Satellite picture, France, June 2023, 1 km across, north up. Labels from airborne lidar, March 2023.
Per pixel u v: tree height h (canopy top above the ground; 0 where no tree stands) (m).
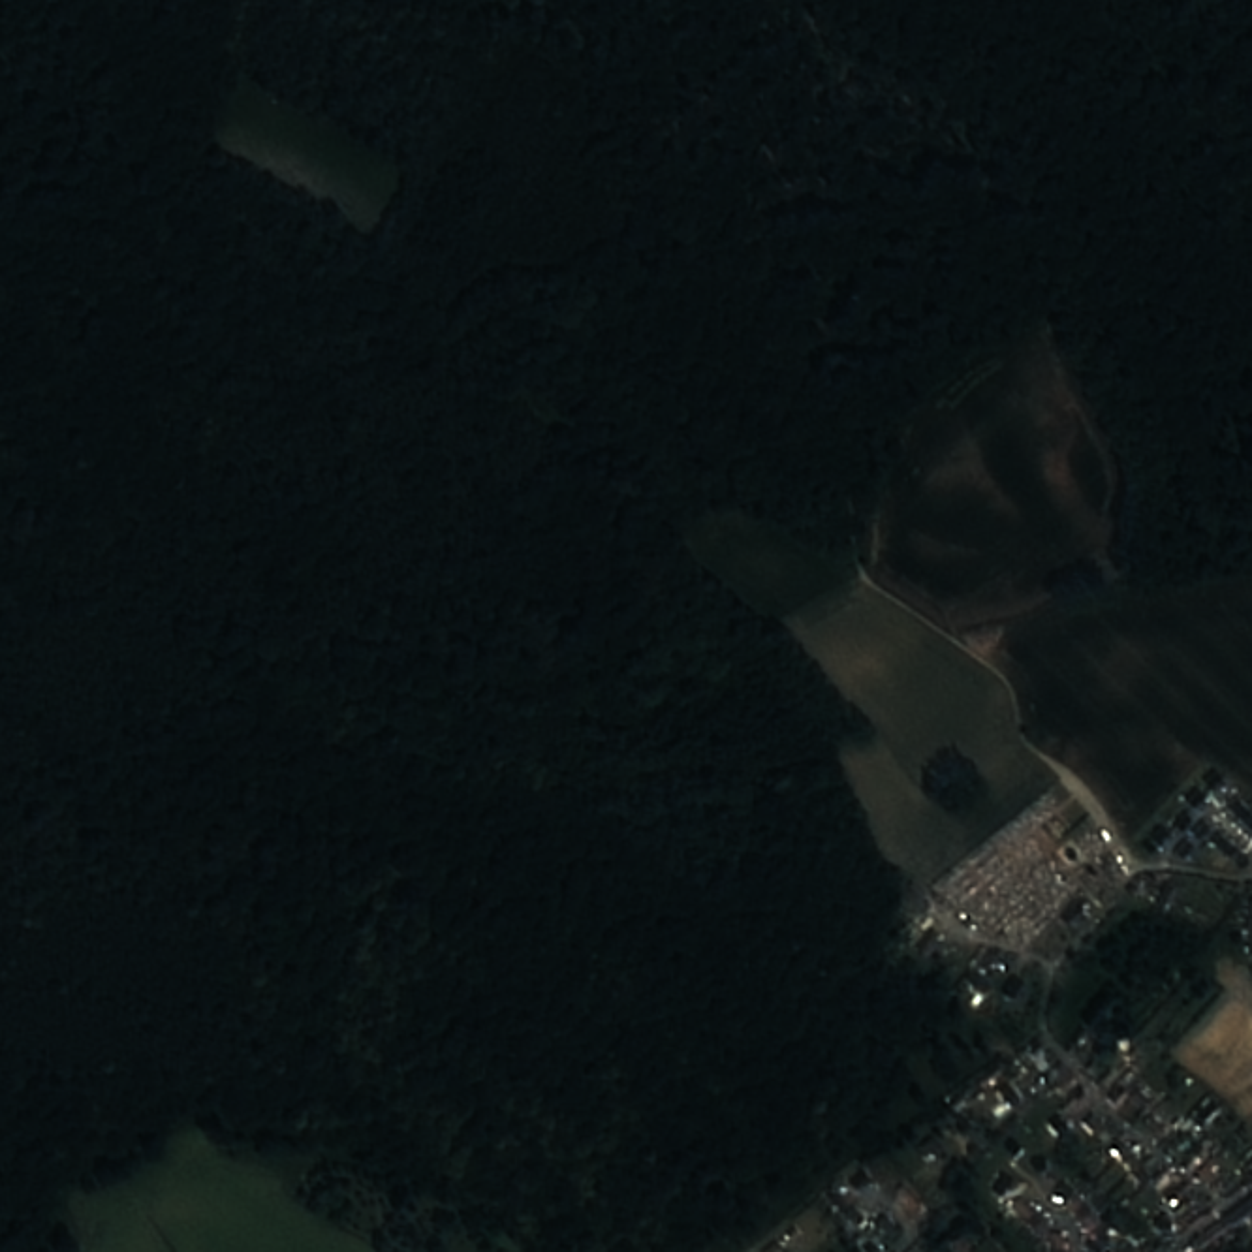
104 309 25
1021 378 0
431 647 31
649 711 21
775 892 27
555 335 28
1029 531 0
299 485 23
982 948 0
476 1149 23
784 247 24
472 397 20
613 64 26
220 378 19
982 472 0
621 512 30
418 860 24
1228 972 0
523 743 28
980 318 30
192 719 27
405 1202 17
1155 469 22
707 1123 24
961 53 24
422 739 28
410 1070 29
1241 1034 0
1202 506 26
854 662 0
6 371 26
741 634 28
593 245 24
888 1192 0
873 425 20
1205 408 26
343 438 18
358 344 18
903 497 0
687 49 25
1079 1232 0
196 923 26
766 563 0
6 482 25
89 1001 25
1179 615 0
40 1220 27
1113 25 21
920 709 0
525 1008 22
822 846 21
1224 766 0
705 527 0
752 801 29
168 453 20
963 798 16
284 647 24
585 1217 24
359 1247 0
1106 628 0
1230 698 0
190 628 28
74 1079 24
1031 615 0
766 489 28
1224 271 30
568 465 26
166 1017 24
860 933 24
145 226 24
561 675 31
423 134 17
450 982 26
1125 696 0
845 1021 23
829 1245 0
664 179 22
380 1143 17
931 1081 0
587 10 25
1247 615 0
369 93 19
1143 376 26
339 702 26
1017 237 29
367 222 0
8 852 21
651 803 25
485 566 23
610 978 25
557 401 16
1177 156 26
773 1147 24
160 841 23
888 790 0
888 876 21
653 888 24
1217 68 23
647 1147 17
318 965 32
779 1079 25
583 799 26
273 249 16
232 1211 0
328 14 18
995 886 0
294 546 23
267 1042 25
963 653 0
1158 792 0
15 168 28
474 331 21
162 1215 0
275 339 22
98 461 24
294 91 18
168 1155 0
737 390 26
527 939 26
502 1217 20
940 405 0
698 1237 21
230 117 0
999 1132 7
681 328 27
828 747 21
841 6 23
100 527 24
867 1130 24
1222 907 0
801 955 28
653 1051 25
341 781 26
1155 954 16
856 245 25
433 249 13
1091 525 0
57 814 23
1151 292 27
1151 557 30
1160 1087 0
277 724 26
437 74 20
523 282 25
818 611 0
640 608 25
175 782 22
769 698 19
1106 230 27
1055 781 0
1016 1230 0
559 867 23
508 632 30
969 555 0
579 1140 24
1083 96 25
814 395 28
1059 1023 0
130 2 25
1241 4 29
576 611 30
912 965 12
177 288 23
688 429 33
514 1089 18
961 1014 16
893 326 26
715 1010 29
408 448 22
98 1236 0
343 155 0
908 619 0
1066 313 19
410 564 21
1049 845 0
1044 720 0
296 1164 0
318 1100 24
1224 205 30
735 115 26
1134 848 0
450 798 26
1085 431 0
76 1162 25
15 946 27
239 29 18
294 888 31
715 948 25
